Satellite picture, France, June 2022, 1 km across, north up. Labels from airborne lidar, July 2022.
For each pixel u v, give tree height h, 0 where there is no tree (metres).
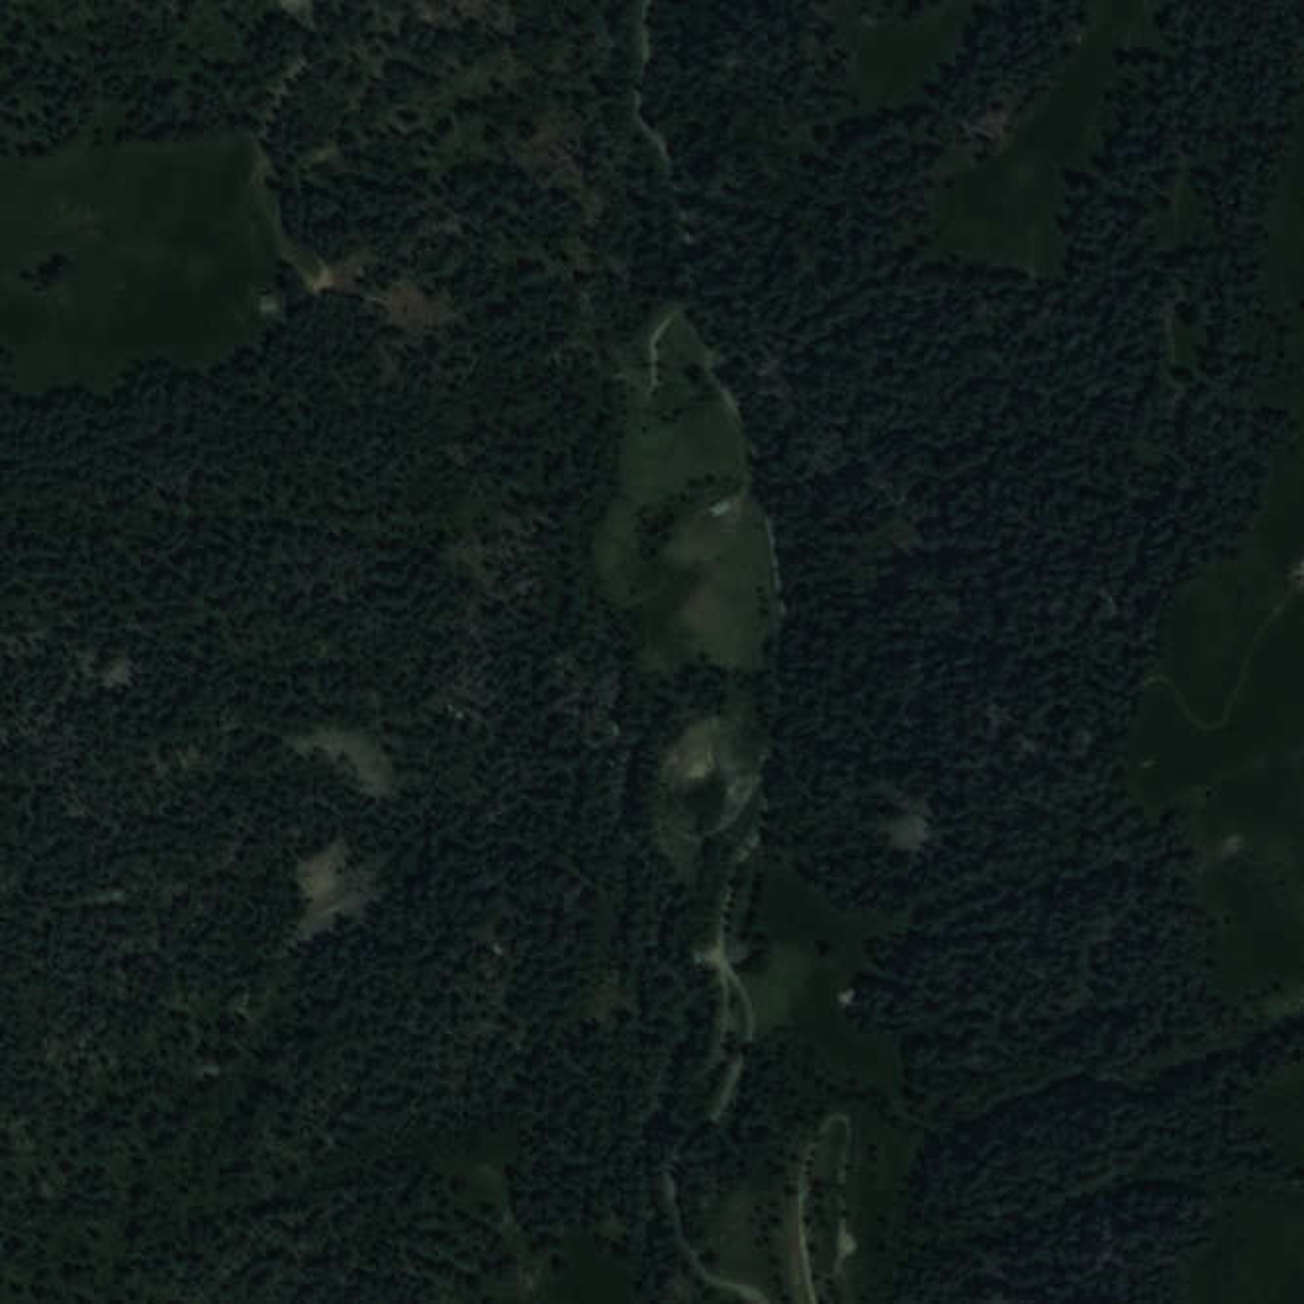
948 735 20
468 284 32
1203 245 8
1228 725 0
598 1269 0
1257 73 22
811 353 9
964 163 0
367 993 30
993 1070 11
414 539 13
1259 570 0
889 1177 0
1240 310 14
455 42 34
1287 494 0
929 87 0
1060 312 30
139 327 0
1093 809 24
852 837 7
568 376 10
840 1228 0
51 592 17
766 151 8
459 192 35
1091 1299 9
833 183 30
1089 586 25
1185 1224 27
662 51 8
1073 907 32
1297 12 10
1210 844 0
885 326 27
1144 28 0
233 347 0
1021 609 11
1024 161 0
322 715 20
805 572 16
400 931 28
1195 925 24
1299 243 0
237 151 0
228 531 9
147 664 26
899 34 0
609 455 11
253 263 0
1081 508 31
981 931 19
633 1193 29
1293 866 0
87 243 0
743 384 29
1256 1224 0
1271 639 0
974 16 0
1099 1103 12
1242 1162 23
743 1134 19
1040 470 25
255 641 28
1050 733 10
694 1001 6
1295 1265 0
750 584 0
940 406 32
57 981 28
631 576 0
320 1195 10
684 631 0
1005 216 0
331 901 0
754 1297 0
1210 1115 25
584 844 24
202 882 7
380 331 27
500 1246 31
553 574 7
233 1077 7
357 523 16
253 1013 10
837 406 25
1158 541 26
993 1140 28
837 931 0
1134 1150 22
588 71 26
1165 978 29
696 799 8
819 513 9
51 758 21
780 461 33
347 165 9
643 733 15
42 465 25
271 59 29
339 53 7
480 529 8
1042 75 23
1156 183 9
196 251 0
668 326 0
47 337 0
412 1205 31
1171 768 0
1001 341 11
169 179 0
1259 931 0
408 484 8
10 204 0
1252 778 0
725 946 0
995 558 32
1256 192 11
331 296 17
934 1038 6
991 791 23
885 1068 0
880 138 30
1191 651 0
